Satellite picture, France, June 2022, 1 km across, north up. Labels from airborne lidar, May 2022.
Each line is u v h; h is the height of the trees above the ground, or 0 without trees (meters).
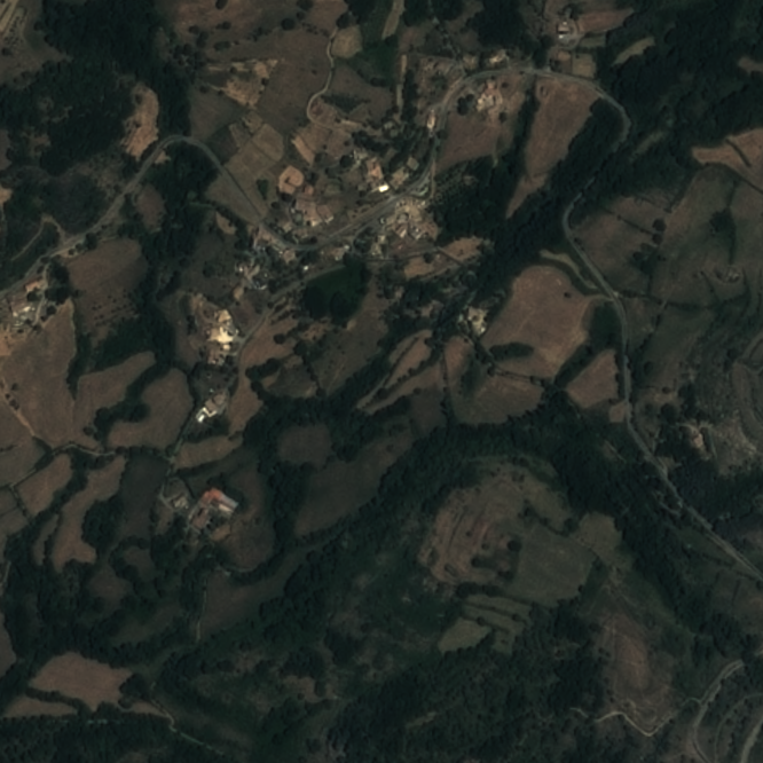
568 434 12
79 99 11
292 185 0
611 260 0
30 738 11
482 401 0
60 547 0
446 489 9
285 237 8
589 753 9
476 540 0
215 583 0
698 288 0
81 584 6
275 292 6
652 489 8
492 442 7
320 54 0
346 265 11
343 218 0
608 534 0
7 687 14
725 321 7
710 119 7
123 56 14
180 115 15
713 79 7
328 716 0
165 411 0
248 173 0
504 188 19
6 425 0
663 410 10
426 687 11
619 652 0
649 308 0
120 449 10
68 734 10
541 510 0
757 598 0
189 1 0
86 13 18
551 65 7
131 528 0
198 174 13
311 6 10
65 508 0
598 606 0
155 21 13
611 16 0
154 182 7
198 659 10
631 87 16
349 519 8
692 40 20
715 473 10
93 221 8
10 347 0
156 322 15
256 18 0
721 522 17
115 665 14
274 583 0
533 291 0
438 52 6
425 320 17
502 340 0
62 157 9
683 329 0
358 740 11
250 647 10
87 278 0
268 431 8
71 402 0
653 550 18
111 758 8
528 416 12
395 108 9
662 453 11
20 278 7
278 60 0
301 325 9
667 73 9
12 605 17
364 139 10
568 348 0
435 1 10
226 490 16
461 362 0
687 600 11
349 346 0
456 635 0
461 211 13
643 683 0
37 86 10
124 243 0
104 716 8
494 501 0
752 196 0
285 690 8
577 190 9
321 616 8
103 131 13
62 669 0
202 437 7
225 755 10
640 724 0
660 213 0
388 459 0
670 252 0
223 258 0
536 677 7
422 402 0
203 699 8
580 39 0
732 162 0
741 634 13
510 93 0
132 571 16
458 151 0
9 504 0
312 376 6
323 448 0
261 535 0
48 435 0
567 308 0
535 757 6
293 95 0
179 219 13
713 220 7
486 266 12
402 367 0
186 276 0
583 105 0
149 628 0
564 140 0
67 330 0
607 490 13
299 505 15
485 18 14
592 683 8
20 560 12
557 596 0
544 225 15
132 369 0
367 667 9
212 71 0
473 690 9
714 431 0
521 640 9
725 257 0
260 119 0
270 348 0
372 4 10
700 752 0
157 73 20
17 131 10
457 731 10
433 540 0
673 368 0
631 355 13
